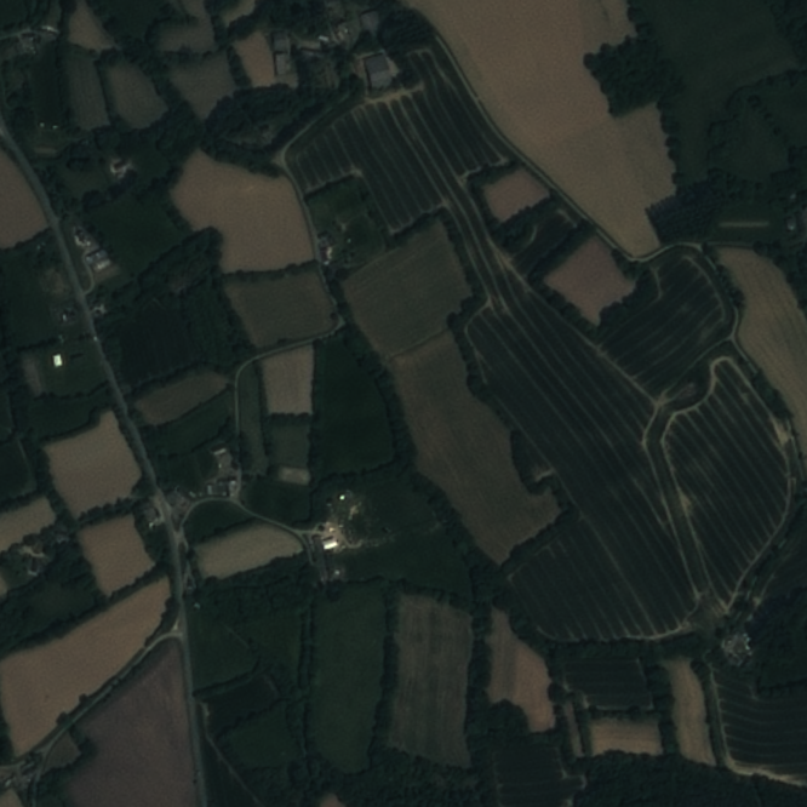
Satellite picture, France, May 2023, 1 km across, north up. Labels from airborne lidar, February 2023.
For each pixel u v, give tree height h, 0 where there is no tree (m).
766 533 0
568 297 0
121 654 0
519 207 0
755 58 0
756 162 0
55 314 0
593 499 0
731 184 12
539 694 0
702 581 0
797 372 0
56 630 16
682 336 0
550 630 0
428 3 0
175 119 16
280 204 0
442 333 0
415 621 0
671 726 12
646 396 0
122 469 0
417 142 0
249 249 0
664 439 0
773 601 0
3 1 0
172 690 0
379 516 0
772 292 0
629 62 7
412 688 0
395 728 0
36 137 0
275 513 0
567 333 0
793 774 0
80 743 11
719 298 0
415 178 0
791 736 0
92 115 0
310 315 0
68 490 0
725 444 0
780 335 0
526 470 13
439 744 0
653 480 0
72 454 0
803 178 9
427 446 0
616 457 0
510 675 0
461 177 0
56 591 0
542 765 0
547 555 0
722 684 0
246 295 0
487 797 17
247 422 0
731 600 0
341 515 0
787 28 12
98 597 11
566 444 0
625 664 0
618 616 0
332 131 0
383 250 0
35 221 0
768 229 0
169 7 13
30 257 7
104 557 0
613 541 0
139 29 0
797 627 10
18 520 0
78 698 0
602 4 0
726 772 17
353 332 14
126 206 0
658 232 32
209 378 0
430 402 0
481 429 0
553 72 0
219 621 11
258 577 8
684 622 0
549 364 0
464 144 0
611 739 0
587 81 0
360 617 0
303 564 7
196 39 0
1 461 0
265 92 15
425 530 0
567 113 0
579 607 0
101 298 7
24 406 10
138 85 0
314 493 7
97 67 13
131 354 0
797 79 17
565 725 13
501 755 0
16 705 0
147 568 0
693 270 0
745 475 0
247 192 0
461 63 0
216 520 0
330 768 16
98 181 0
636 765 17
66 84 7
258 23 11
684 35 0
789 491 0
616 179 0
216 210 0
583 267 0
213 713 0
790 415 11
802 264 22
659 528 0
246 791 0
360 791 14
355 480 13
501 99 0
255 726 6
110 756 0
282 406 0
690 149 0
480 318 0
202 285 12
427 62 0
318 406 8
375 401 0
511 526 0
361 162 0
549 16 0
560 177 0
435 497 15
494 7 0
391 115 0
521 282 0
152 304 0
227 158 15
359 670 0
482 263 0
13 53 0
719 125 6
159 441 9
